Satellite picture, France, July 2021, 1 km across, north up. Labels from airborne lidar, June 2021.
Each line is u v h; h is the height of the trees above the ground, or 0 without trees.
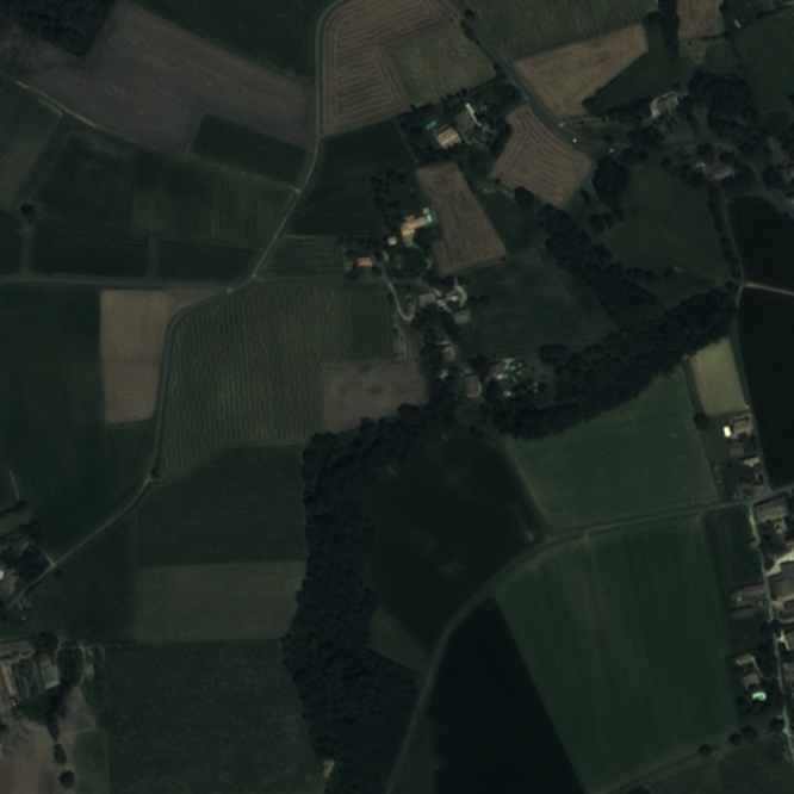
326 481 23
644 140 25
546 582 0
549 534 0
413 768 0
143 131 0
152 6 0
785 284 0
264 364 0
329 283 0
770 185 27
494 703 0
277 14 0
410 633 0
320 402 0
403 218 8
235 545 0
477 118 7
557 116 0
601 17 0
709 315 15
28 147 0
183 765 0
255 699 0
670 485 0
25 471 0
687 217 0
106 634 0
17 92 0
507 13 0
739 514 0
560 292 0
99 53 0
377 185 13
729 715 0
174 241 0
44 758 0
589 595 0
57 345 0
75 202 0
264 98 0
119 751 0
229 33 0
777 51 0
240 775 0
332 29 0
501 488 0
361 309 0
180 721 0
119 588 0
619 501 0
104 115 0
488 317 0
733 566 0
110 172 0
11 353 0
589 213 0
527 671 0
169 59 0
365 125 0
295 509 0
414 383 0
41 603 0
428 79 0
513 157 0
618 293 16
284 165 0
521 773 0
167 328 0
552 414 16
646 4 0
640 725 0
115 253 0
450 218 0
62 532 0
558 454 0
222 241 0
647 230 0
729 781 0
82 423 0
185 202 0
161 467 0
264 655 0
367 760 7
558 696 0
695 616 0
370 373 0
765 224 0
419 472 0
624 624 0
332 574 26
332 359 0
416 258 0
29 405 0
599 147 0
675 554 0
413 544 0
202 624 0
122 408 0
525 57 0
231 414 0
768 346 0
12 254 0
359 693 23
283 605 0
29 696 0
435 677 0
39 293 0
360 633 21
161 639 0
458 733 0
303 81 0
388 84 0
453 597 0
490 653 0
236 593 0
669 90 0
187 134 0
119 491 0
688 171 17
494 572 0
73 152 0
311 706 18
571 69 0
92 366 0
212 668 0
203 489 0
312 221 0
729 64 0
